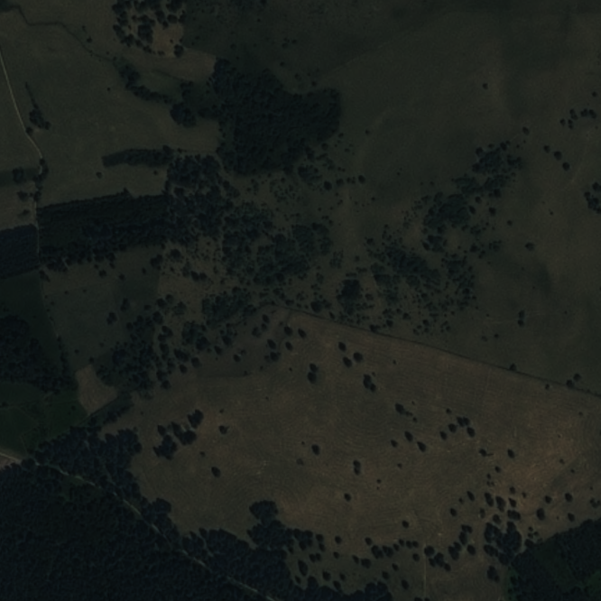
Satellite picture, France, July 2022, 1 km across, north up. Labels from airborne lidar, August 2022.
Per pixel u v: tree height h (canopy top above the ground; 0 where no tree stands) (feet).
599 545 42
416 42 0
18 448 0
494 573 61
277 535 59
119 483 79
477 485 0
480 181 0
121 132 0
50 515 41
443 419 0
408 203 0
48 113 0
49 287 0
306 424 0
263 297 33
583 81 0
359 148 0
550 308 0
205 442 0
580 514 0
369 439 0
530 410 0
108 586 39
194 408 0
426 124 0
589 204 28
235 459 0
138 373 21
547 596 54
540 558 0
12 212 0
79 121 0
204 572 27
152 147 0
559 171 0
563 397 0
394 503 0
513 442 0
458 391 0
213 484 0
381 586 37
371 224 0
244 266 30
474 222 0
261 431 0
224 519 0
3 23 0
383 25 0
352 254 0
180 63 0
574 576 30
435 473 0
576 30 0
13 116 0
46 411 0
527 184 0
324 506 0
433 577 0
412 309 0
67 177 0
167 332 45
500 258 0
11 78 0
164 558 61
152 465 0
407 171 0
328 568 0
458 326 0
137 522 24
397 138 0
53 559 38
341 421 0
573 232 0
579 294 0
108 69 0
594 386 0
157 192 0
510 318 0
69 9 0
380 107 0
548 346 0
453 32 0
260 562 71
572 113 18
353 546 0
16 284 0
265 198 0
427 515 0
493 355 0
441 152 0
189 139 0
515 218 0
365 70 0
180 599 79
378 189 0
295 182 0
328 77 0
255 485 0
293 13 0
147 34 35
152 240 36
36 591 57
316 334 0
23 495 57
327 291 0
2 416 0
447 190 0
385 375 0
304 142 24
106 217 21
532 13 0
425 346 0
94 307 0
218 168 47
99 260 45
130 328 47
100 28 0
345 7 0
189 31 0
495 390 0
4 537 43
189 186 31
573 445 0
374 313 0
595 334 0
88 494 43
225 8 0
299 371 0
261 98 52
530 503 0
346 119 0
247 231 22
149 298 0
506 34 0
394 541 0
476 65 0
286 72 0
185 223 69
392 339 0
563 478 0
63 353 22
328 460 0
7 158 0
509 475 0
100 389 0
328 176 0
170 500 0
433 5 0
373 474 0
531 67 0
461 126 0
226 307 34
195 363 37
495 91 0
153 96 41
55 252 56
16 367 67
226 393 0
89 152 0
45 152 0
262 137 21
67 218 27
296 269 30
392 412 0
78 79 0
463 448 0
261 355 0
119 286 0
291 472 0
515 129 0
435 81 0
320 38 0
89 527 51
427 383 0
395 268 19
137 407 0
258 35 0
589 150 0
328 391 0
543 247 0
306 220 0
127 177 0
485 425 0
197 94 0
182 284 0
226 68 56
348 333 0
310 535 52
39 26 0
